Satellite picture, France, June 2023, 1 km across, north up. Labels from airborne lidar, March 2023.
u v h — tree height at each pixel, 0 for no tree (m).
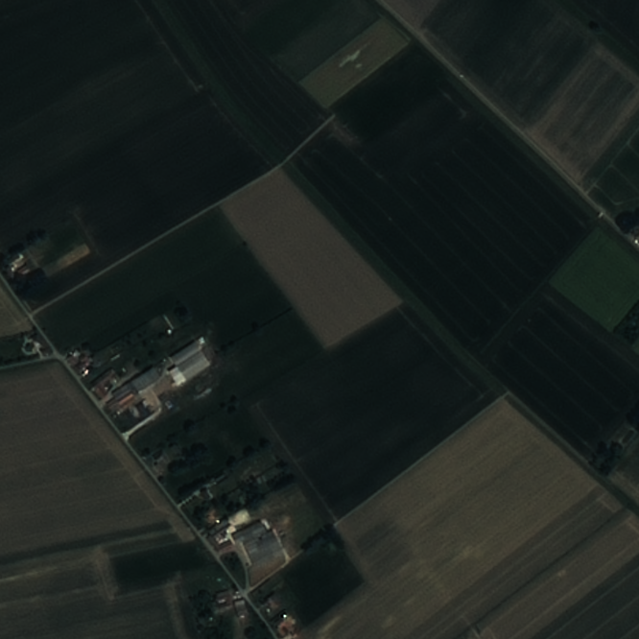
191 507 0
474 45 0
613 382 0
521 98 0
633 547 0
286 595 0
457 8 0
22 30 0
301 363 0
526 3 0
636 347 0
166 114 0
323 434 0
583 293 0
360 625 0
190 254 0
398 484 0
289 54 0
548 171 0
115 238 0
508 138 0
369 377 0
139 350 0
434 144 0
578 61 0
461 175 0
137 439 0
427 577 0
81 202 0
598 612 0
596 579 0
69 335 0
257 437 0
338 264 0
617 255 0
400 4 0
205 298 0
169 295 0
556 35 0
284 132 0
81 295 0
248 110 0
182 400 0
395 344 0
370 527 0
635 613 0
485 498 0
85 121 0
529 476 0
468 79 0
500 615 0
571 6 0
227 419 0
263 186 0
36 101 0
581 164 0
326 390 0
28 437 0
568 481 0
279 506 0
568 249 0
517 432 0
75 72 0
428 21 0
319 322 0
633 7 0
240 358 0
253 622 0
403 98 0
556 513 0
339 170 0
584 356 0
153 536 0
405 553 0
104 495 0
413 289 0
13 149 0
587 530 0
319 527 0
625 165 0
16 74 0
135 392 0
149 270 0
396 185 0
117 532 0
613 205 0
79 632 0
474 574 0
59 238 0
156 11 0
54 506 0
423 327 0
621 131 0
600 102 0
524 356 0
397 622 0
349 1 0
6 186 0
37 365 0
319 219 0
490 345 0
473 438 0
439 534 0
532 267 0
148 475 0
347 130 0
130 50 0
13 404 0
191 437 0
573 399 0
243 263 0
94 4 0
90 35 0
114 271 0
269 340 0
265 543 0
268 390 0
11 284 16
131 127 0
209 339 0
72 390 0
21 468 0
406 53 0
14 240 0
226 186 0
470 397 0
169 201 0
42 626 0
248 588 0
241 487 6
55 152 0
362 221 0
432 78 0
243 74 0
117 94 0
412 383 0
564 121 0
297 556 0
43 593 0
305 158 0
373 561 0
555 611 0
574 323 0
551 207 0
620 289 0
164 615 0
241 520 0
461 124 0
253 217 0
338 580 0
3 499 0
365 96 0
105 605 0
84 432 0
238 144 0
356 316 0
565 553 0
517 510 0
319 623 0
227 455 0
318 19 0
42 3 0
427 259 0
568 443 0
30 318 0
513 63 0
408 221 0
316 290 0
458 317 0
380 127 0
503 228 0
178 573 0
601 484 0
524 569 0
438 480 0
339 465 0
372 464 0
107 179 0
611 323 0
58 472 0
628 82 0
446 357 0
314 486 0
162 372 0
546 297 0
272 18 0
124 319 0
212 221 0
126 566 0
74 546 0
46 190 0
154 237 0
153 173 0
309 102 0
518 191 0
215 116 0
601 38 0
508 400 0
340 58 0
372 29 0
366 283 0
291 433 0
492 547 0
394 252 0
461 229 0
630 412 0
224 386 0
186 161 0
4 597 0
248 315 0
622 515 0
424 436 0
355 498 0
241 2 0
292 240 0
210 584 0
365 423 0
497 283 0
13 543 0
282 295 0
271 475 0
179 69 0
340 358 0
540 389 0
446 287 0
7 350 0
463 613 0
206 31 0
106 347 0
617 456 11
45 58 0
